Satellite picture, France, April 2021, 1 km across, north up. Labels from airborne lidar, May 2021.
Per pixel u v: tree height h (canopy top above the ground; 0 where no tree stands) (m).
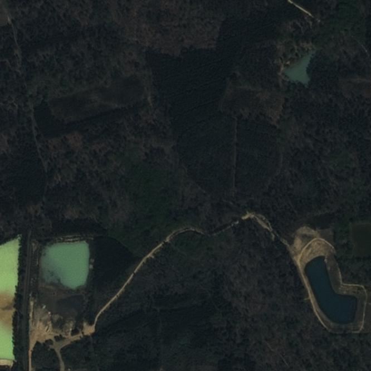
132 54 14
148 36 9
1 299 0
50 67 26
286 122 22
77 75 14
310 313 14
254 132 17
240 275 16
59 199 24
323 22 17
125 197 16
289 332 16
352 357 29
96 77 21
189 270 11
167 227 16
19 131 13
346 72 15
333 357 20
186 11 12
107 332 15
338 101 17
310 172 20
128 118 6
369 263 16
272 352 10
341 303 0
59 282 0
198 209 15
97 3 27
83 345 6
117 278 9
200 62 17
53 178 20
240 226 25
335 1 7
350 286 0
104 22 9
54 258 0
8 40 8
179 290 6
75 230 12
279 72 15
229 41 18
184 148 17
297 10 16
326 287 0
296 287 9
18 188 16
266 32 20
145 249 14
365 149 21
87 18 10
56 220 15
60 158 15
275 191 13
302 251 0
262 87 17
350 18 23
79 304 0
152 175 21
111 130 17
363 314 0
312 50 12
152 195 20
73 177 10
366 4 19
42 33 16
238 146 15
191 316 13
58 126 14
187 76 15
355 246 0
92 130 7
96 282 8
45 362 6
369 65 15
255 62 16
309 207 20
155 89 14
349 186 12
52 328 0
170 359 6
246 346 9
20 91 23
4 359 0
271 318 13
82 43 10
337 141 14
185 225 14
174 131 14
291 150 16
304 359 16
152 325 17
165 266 7
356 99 8
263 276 16
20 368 12
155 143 12
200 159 14
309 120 8
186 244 12
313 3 17
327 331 11
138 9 14
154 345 9
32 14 15
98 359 9
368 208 23
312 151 20
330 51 18
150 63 20
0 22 0
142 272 6
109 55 17
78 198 15
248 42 14
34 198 18
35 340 0
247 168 17
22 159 12
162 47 6
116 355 10
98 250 7
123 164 16
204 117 16
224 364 15
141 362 14
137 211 15
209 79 18
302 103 17
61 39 14
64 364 5
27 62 22
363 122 19
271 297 20
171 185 20
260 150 20
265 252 14
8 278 0
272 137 17
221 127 15
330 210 18
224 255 11
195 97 17
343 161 12
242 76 15
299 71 0
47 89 15
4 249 0
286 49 15
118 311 7
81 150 8
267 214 17
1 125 22
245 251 9
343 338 14
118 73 23
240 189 16
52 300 0
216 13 18
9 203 13
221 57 18
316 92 18
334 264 0
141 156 15
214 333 14
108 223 13
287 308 14
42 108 15
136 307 9
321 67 16
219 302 12
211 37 6
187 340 7
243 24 13
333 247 0
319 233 0
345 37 15
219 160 14
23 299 17
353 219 21
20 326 9
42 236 10
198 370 0
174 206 23
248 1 23
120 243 10
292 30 8
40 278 0
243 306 11
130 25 0
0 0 0
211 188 16
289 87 15
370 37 19
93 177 25
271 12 19
